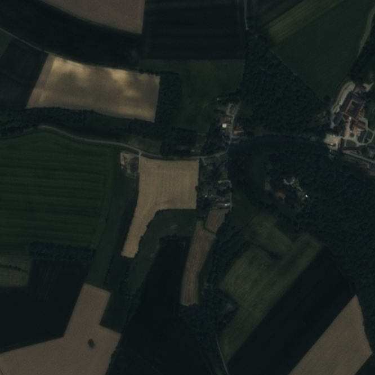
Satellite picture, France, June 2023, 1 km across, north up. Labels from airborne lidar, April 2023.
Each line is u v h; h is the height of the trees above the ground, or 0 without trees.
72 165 0
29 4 0
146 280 0
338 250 22
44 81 0
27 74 0
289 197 25
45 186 0
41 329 0
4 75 0
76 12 0
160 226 0
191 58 0
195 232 0
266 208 11
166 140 13
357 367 0
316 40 0
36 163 0
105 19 0
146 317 0
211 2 0
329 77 0
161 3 0
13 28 0
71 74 0
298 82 22
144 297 0
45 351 0
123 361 0
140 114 0
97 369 0
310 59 0
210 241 0
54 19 0
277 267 0
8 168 0
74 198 0
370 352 0
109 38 0
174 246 0
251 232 0
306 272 0
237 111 0
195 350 0
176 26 0
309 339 0
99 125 0
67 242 0
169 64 0
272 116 25
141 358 0
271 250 0
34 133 0
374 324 26
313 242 0
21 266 0
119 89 0
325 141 0
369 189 16
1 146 0
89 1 0
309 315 0
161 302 0
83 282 0
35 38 0
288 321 0
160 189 0
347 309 0
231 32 0
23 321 0
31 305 0
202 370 0
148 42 0
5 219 0
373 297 23
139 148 0
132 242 0
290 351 0
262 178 0
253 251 0
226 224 11
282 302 0
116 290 0
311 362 0
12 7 0
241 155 22
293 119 22
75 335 0
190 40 0
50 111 12
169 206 0
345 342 0
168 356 0
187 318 19
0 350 0
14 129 22
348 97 0
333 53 0
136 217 0
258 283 0
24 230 0
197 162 0
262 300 0
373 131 0
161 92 14
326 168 28
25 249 0
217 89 0
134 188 0
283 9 0
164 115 21
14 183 0
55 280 0
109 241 0
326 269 0
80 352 0
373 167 0
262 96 20
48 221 0
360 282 24
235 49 0
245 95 22
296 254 0
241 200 0
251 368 0
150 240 0
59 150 0
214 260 8
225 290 0
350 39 0
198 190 13
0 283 0
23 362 0
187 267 0
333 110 0
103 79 0
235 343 0
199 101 0
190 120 0
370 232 16
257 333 0
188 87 0
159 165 0
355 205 26
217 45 0
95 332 0
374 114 0
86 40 0
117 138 0
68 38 0
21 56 0
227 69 0
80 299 0
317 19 0
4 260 0
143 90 0
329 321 0
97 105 0
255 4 0
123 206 0
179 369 0
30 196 0
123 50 0
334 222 22
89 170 0
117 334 0
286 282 0
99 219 0
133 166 0
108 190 0
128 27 0
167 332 0
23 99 0
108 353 0
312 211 19
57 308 0
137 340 0
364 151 14
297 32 0
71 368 0
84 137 0
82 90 0
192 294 0
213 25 0
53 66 0
